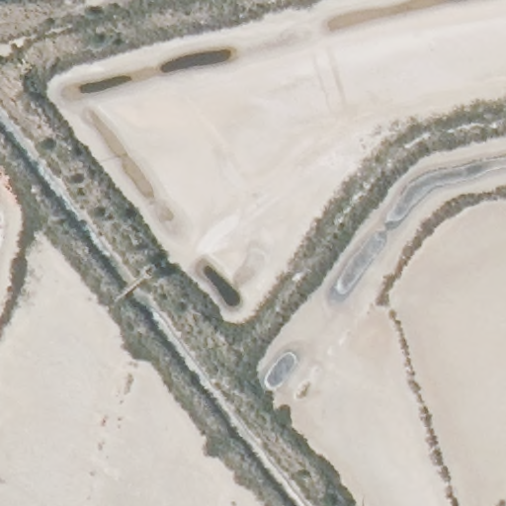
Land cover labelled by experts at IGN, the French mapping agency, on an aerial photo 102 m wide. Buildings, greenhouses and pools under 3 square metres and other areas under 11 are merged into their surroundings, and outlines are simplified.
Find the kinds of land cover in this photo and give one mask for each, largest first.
<instances>
[{"label":"pervious surface","instance_id":"1","mask_svg":"<svg viewBox=\"0 0 506 506\"><path fill-rule=\"evenodd\" d=\"M217 47L231 49V59L227 63L162 73L160 63L168 59ZM121 73L130 75V83L125 85L101 93H87L81 101L73 103L65 101L61 95V87L67 83H87ZM49 101L59 109L63 119L73 128L75 136L91 150V154L97 158L103 170L113 178L115 186L125 194L126 200L140 211L142 219L148 223L150 231L154 233L162 249L168 253L170 263L178 265L206 295L210 296L211 302L219 308L223 320L243 322L255 314V308L269 295L279 275L287 273L289 261L304 241L308 229L314 227L316 217L322 215L328 202L338 196L342 184L362 166L364 158L378 152L379 144L385 138H395L409 125L445 117L457 111L459 107L466 111L474 101H498L506 97V0H318L308 8H287L281 12H269L261 20L241 24L235 28H223L217 32H204L196 36L174 38L168 42L152 43L101 61L75 65L63 73H57L47 83ZM93 109L119 136L128 156L150 180L154 194L174 211L172 221H160L158 215H154L148 200L142 198L136 192L134 184L126 178L121 162L109 152L97 130L91 126L89 117ZM208 265H211L239 293V306H227V302L215 291V287L204 275V269ZM0 123L26 148L28 156L38 164V170L45 178V182L65 202L67 210L73 211L77 219L85 221L93 243L107 257L113 259L126 285L132 287L148 279L150 265L142 267L140 275L134 277V273L125 267L121 253L113 249L111 241L97 233L95 217L89 211L83 210L69 196L65 182L47 168L36 144L28 136H24L22 128L14 121H10L8 113L0 107ZM506 152V136L472 142L455 150L433 152L417 160L405 174H401L393 182L383 202L376 210H372L368 219L358 227L350 243L352 247H358L366 235H370L372 231H381L383 225L391 231L385 247L374 257V263L368 267L356 291L348 300L334 302L328 300L318 289L306 298L304 304L298 306L291 320L271 342V346L267 348L265 356L257 366V372L261 385L273 393V405H289L291 423L296 431L306 439L314 453L322 455L338 470L340 482L350 490L352 498L356 500V506H506V198L484 200L445 219L413 253L401 277L393 283L389 291V302L393 304L403 324L411 352V362L415 366V379L421 385L425 403L431 411L433 429L439 441V449L443 453V461L449 466L451 480H443L439 466L433 461L419 403L415 399L413 389L407 383V366L399 344V336L395 324L389 318L387 308L383 304H378V295L383 279L389 273H393L403 247L411 243L421 223L433 215V211L439 210L447 200L459 194L488 192L498 186H506V164L490 166L470 176L472 180L466 184L431 194L417 210L411 211V215L401 227L397 225V221L391 219L401 200V188L407 186L409 180L421 170L435 166H455L457 162L480 160L486 154ZM281 358H291L295 368L289 374V378L279 383H271V374ZM22 210L14 192L10 190L8 176H0V314L8 298L12 261L18 253ZM28 271L22 295L18 298V306L14 308L12 320L6 324L4 336L0 340V506H263L251 490L235 482L233 472L225 464L215 457L206 455V437L198 431L190 415L168 391L160 374L154 370L152 364L136 360L126 352L121 338V328L111 318L107 306L99 304L97 295L91 293V289L81 281L79 273L65 261L61 251L55 249L40 231L36 233L34 245L30 247L26 257ZM140 302L148 304L154 320L168 336V340L176 346L188 368L198 374L202 385L227 413L231 425L253 447L255 455L281 482L287 494L295 500L296 506H314L304 498L295 480L287 472H283L265 453L261 439L255 435V431H251L237 417L235 407L215 387L213 378H210L206 368L196 360V352L190 350V346L184 342L180 330L174 328L168 314L160 310L154 295L144 289H138L134 295Z\"/></svg>","mask_w":506,"mask_h":506},{"label":"brushwood","instance_id":"2","mask_svg":"<svg viewBox=\"0 0 506 506\"><path fill-rule=\"evenodd\" d=\"M0 2H4V4H51V6H57V8H59V6H63V2H65V0H0ZM196 2L206 4L208 8H217V16H211L204 24L180 22L150 30L140 26L144 16L164 14L166 10L192 14V6ZM318 0H128L125 6H91L83 14L63 16V24H71V30H61L63 36L77 34L81 40V49L75 53L55 57V61L49 67H30L22 77V91L28 99L36 101L42 107L43 117L49 128L63 132V140L71 144L73 154L89 170V176L99 182L103 196L117 208L119 215L130 223L132 231L136 233L138 251L148 259L150 265H154V275L158 279L166 277L176 289H180L182 298H200L202 318L213 330L223 334L229 344H239L247 332H253L255 326L263 322L255 314L243 322L223 320L219 308L211 302L210 296L206 295L178 265L170 263L168 253L162 249L154 233L150 231L148 223L142 219L140 211L126 200L125 194L115 186L113 178L103 170L97 158L91 154V150L75 136L73 128L63 119L59 109L49 101L47 83L57 73H63L75 65L101 61L152 43L168 42L174 38L196 36L204 32H217L223 28H235L241 24L261 20L269 12H281L287 8H308ZM500 117H506V97L498 101H474L466 111L459 107L457 111L445 117L409 125L395 138L397 144L403 146L417 134L429 132V140L417 144V148H413L405 158L395 162L391 170L381 172L376 184L370 188L368 196H364L350 213V219L340 223V231L334 233L328 245V255L318 265H314L308 275H304L298 281L295 293L283 304L281 312L275 316L273 326L263 336L253 338V348L247 350L249 360L245 362L241 352L235 354L233 370L227 376L233 385H237V389H241L243 393H251L261 403L263 411L271 417L273 431L279 433L296 453H300L314 464L318 476L324 482V498L330 500L332 506H356V500L352 498L350 490L340 482L338 470L322 455L314 453L306 439L296 431L291 423L289 405H273V393L261 385L257 372V366L265 356L267 348L271 346V342L291 320L298 306L304 304L306 298L318 289L326 273L334 267L340 253L350 243L358 227L368 219L372 210H376L383 202L393 182L401 174H405L417 160L433 152L455 150L472 142L506 136V125L498 128H480L478 132L466 130L459 136L449 134V128L474 121L490 125ZM8 176L10 190L14 192L22 210L18 253L12 261L8 298L0 314V340L4 336L6 324L12 320L14 308L18 306V298L22 295L28 271L26 257L30 247L34 245L36 233L40 231L47 217L40 213L38 202L32 194V186H38L42 190L43 198L49 200L55 215H59V221L75 229L77 239L83 241L89 255L107 271L113 285L117 289H125L126 285L113 259L107 257L93 243L85 221L77 219L73 211L67 210L65 202L45 182V178L38 170V164L28 156L26 148L0 123V176ZM506 198V186H498L488 192L459 194L447 200L439 210L433 211V215L421 223L411 243L403 247L393 273H389L383 279L378 295V304H383L387 308L389 318L395 324L399 336V344L407 366V383L413 389L415 399L419 403L433 461L439 466L443 480H451L449 466L443 461V453L439 449V441L433 429L431 411L425 403L421 385L415 379V366L411 362V352L403 324L393 304L389 302V291L393 283L401 277L413 253L445 219L484 200ZM126 304L142 316L154 340L164 348V352L170 356V360L174 362V366L184 379H188V383L200 393V397H204L211 415L225 429L227 437L237 447H241L243 457H247L249 463L255 466V470L263 476L265 484L277 494L283 506H296L295 500L287 494L281 482L255 455L253 447L231 425L227 413L202 385L198 374L188 368L176 346L168 340V336L154 320L148 304L140 302L134 295L130 293L125 296Z\"/></svg>","mask_w":506,"mask_h":506},{"label":"herbaceous vegetation","instance_id":"3","mask_svg":"<svg viewBox=\"0 0 506 506\"><path fill-rule=\"evenodd\" d=\"M128 0H65V2H63V6H59V8H57V6H51V4H4V2H0V107L8 113L10 121H14L22 128L24 136H28L36 144L47 168L65 182L69 196L83 210L89 211L95 217L97 233L111 241L113 249L121 253L125 267L134 273V277L140 275L142 267L150 265L148 259L138 251L136 233L132 231L130 223L119 215L117 208L103 196L99 182L89 176V170L73 154L71 144L63 140V132L49 128L43 117L42 107L36 101L28 99L22 91V77L30 67H49L55 61V57L75 53L81 49V40L77 34L63 36L61 30H71V24H63V16L83 14L91 6H125ZM211 16H217V8H208L206 4L196 2L192 6V14L166 10L164 14L144 16L140 26L150 30L180 22L204 24ZM506 125V117H500L490 125L474 121L449 128V134L459 136L466 130L478 132L480 128H498ZM429 140V132L417 134L403 146L397 144L395 138H385L379 144L378 152L364 158L362 166L342 184L338 196L328 202L322 215L316 217L314 227L308 229L304 241L289 261L287 273L279 275L269 295L255 308V314L263 322L255 326L253 332H247L239 344H229L223 334L213 330L202 318L200 298H182L180 289H176L166 277L158 279L154 275V265H150L148 279L132 287L126 285L125 289H117L113 285L107 271L89 255L83 241L77 239L75 229L59 221V215H55L49 200L43 198L42 190L38 186H32V194L38 202L40 213L47 217L40 231L55 249L61 251L65 261L79 273L81 281L91 289V293L97 295L99 304L107 306L111 318L121 328V338L126 352L136 360L152 364L154 370L160 374L168 391L190 415L198 431L206 437V455L215 457L225 464L233 472L235 482L251 490L263 506H283L277 494L265 484L263 476L255 470V466L249 463L247 457H243L241 447H237L227 437L225 429L211 415L204 397H200V393L188 383V379H184L174 366V362L170 360V356L164 352V348L154 340L142 316L126 304L125 296L130 293L134 295L138 289H144L154 295L160 310L168 314L174 328L180 330L184 342L190 346V350L196 352V360L206 368L210 378H213L215 387L235 407L237 417L251 431H255V435L261 439L265 453L283 472H287L295 480L304 498L314 506H332L330 500L324 498V482L318 476L314 464L300 453H296L279 433L273 431L271 417L263 411L261 403L251 393H243L241 389H237V385H233L227 376L233 370L235 354L241 352L245 362L249 360L247 350L253 348V338L263 336L273 326L275 316L281 312L283 304L295 293L298 281L304 275H308L314 265H318L328 255V245L334 233L340 231V223L350 219V213L364 196H368L370 188L376 184L381 172L391 170L395 162L405 158L413 148H417V144Z\"/></svg>","mask_w":506,"mask_h":506},{"label":"water","instance_id":"4","mask_svg":"<svg viewBox=\"0 0 506 506\"><path fill-rule=\"evenodd\" d=\"M231 59V49L217 47L168 59L160 63L162 73L227 63ZM130 83V75L121 73L87 83H67L61 87V95L65 101L73 103L81 101L87 93H101L125 85ZM91 126L97 130L109 152L121 162L126 178L134 184L136 192L142 198L148 200L154 215H158L160 221H172L174 211L154 194L150 180L128 156L119 136L93 109L89 117ZM506 164V152L486 154L480 160L457 162L455 166H435L421 170L409 180L407 186L401 188V200L391 219L397 221V225L401 227L411 215V211L417 210L431 194L466 184L472 180L470 176L490 166ZM391 231L383 225L381 231H372L370 235H366L358 247H352L350 243L340 253L334 267L326 273L318 289L328 300L334 302L348 300L356 291L368 267L374 263V257L385 247ZM204 275L215 287V291L227 302V306H239V293L211 265H208L204 269ZM295 368L291 358H281L271 374V383H279L289 378V374Z\"/></svg>","mask_w":506,"mask_h":506}]
</instances>
